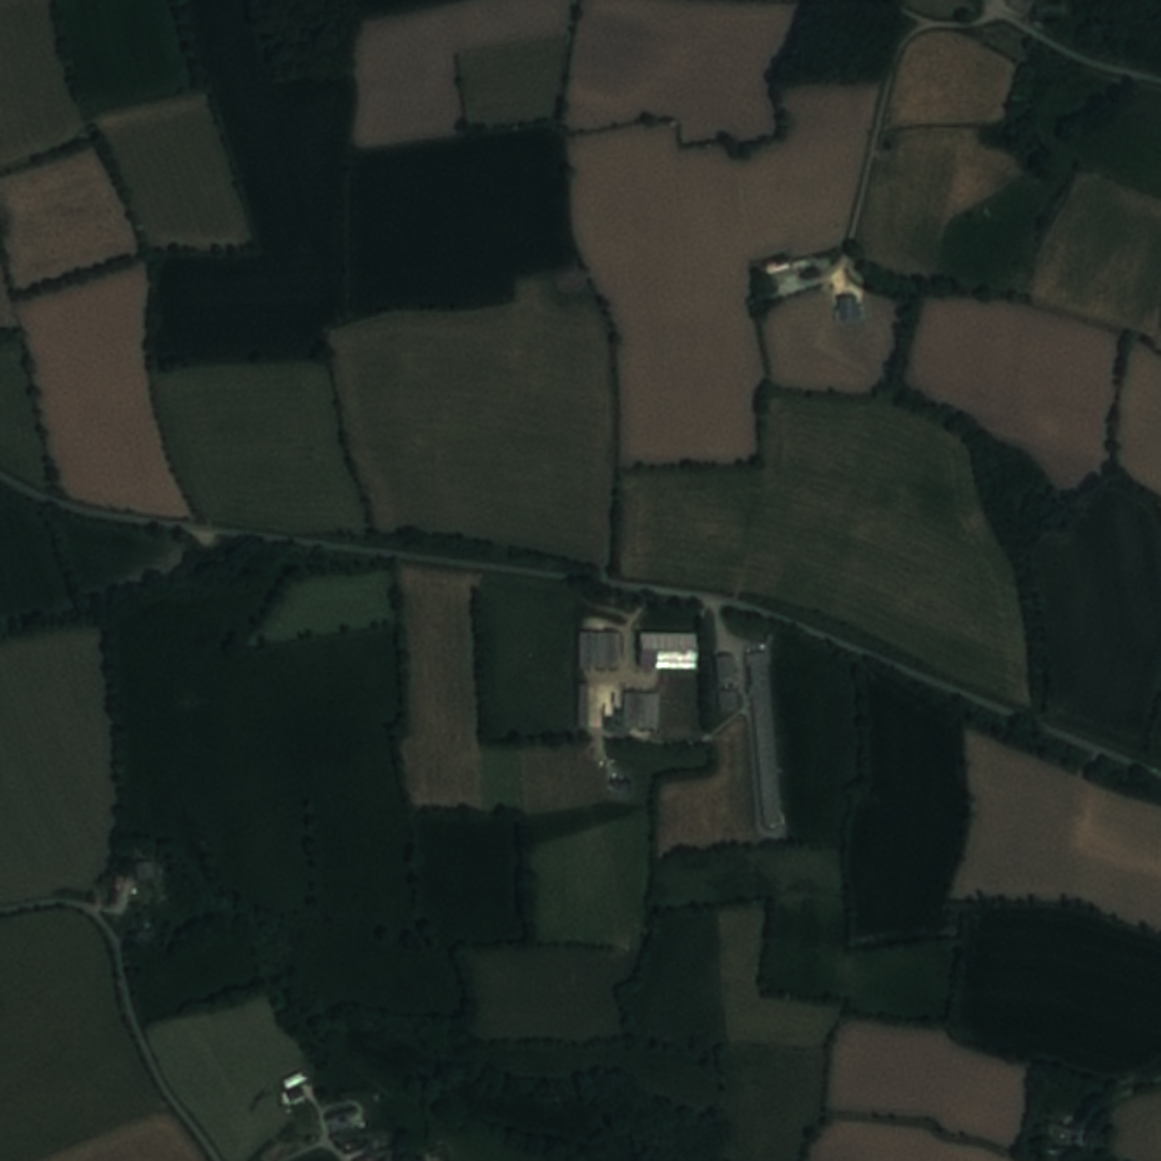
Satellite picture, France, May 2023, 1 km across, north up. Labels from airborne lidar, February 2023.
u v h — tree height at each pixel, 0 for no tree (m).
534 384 0
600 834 0
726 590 0
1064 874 0
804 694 0
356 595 0
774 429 0
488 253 0
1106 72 0
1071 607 0
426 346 0
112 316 0
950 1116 0
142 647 0
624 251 0
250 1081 0
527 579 0
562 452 0
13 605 0
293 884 0
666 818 0
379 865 0
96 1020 0
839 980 0
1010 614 0
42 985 0
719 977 0
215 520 0
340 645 0
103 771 0
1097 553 0
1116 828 0
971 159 0
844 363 0
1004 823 0
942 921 0
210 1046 0
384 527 0
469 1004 13
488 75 0
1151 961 0
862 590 0
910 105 0
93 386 0
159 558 0
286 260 0
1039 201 0
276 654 0
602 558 0
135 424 0
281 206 0
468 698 0
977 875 0
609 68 0
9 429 0
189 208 0
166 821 0
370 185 0
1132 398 0
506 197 0
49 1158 0
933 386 0
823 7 17
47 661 0
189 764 0
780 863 0
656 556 0
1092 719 0
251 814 0
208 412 0
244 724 0
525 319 0
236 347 0
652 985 0
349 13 19
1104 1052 0
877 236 0
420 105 0
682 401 0
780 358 0
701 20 0
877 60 18
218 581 12
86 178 0
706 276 0
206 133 0
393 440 0
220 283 0
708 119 0
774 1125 0
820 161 0
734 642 0
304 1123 0
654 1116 20
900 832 0
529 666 0
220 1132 0
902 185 0
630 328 0
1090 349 0
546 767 0
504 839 0
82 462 0
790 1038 0
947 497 0
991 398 0
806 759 0
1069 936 0
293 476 0
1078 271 0
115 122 0
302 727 0
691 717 0
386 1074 0
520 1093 8
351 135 0
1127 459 0
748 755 0
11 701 0
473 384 0
